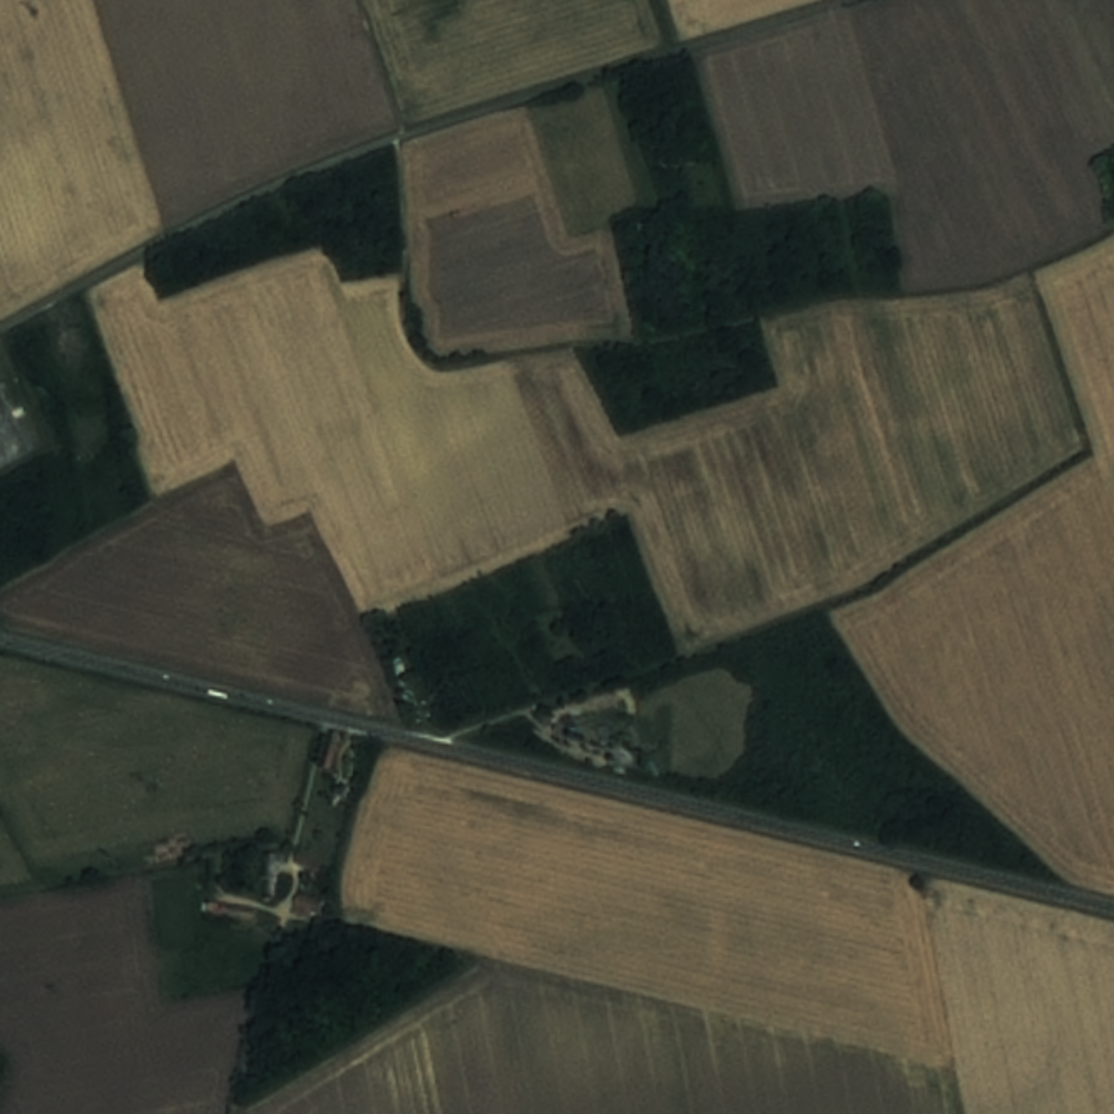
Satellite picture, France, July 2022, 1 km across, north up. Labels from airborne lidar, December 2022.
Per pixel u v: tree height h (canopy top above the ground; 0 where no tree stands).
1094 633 0
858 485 0
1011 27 0
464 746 0
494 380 0
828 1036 0
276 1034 11
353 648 0
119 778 0
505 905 0
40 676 0
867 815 5
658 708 0
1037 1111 0
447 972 10
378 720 0
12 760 0
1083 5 0
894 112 0
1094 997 0
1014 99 0
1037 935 0
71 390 0
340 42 0
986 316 0
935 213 0
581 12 0
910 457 0
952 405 0
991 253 0
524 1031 0
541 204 0
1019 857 9
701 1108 0
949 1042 0
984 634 0
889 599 0
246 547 0
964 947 0
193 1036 0
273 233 11
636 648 7
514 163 0
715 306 13
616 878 0
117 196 0
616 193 0
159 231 0
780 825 0
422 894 0
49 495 6
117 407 7
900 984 0
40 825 0
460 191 0
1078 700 0
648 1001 0
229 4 0
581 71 0
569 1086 0
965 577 0
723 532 0
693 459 0
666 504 0
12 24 0
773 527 0
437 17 0
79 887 6
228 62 0
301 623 0
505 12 0
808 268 6
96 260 0
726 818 0
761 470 0
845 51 0
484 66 0
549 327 0
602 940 0
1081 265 0
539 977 0
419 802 0
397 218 11
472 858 0
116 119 0
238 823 0
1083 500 0
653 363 9
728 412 0
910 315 0
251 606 0
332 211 7
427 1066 0
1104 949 0
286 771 0
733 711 0
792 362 0
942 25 0
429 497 0
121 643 0
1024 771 0
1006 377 0
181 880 0
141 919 0
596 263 0
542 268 0
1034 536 0
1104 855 0
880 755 7
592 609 13
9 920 0
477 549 0
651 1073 0
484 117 0
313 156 0
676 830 0
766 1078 0
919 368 0
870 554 0
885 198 6
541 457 0
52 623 0
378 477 0
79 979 0
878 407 0
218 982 0
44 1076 0
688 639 0
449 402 0
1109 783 0
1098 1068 0
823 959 0
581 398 0
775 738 6
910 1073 0
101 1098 0
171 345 0
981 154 0
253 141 0
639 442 0
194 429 0
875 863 0
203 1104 0
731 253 7
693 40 0
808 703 6
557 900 0
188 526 0
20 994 0
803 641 7
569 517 0
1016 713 0
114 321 0
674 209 14
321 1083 0
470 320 0
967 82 0
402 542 0
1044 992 0
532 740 7
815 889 0
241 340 0
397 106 0
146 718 0
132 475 6
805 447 0
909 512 0
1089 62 0
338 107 0
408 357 0
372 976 22
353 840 0
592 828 0
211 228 8
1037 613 0
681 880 0
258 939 0
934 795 8
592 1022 0
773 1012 0
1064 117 0
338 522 0
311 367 0
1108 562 0
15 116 0
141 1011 0
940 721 0
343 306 0
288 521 0
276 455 0
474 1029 0
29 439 0
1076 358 0
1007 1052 0
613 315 0
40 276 0
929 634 0
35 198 0
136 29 0
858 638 0
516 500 0
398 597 0
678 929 0
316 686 0
